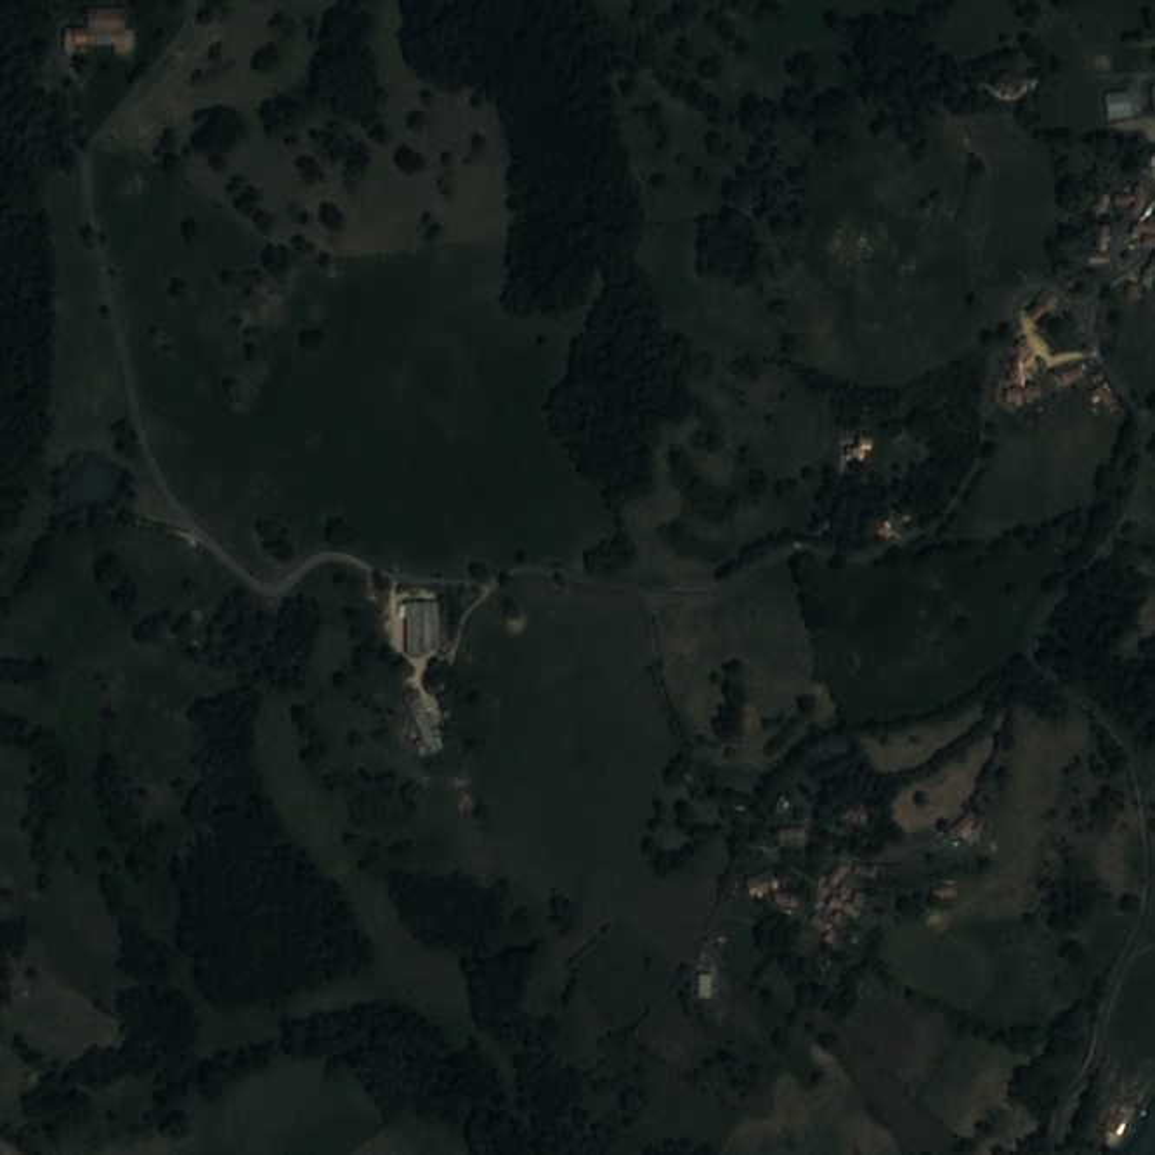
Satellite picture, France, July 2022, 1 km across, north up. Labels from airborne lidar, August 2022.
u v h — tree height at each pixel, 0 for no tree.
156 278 0
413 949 0
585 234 14
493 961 18
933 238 0
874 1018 0
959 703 8
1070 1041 10
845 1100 0
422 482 0
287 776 0
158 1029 23
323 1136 0
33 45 19
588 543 0
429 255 0
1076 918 13
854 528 10
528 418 0
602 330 11
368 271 0
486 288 0
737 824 9
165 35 8
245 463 0
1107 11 0
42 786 17
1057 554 0
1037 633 0
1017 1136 0
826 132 14
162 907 0
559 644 0
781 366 7
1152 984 0
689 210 0
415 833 0
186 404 0
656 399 12
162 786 0
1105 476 17
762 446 0
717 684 7
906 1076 0
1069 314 7
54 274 16
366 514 0
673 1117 0
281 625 11
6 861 0
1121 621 19
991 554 12
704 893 0
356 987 0
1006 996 0
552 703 0
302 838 0
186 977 0
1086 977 0
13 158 16
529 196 18
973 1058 0
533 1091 9
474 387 0
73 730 0
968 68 13
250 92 0
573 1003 12
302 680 15
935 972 0
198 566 0
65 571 0
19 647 0
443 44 22
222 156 10
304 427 0
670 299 0
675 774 14
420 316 0
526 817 0
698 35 0
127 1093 0
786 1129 0
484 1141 23
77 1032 0
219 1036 0
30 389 17
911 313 0
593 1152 19
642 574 0
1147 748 9
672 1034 0
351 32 14
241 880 13
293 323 0
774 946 10
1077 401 0
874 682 0
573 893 0
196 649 8
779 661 0
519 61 17
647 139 0
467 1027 0
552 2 20
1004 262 0
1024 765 0
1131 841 0
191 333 0
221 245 0
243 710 20
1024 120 13
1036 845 0
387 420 0
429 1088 19
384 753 0
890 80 19
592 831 0
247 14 0
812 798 15
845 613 0
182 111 0
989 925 0
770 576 0
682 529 10
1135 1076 0
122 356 0
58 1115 6
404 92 0
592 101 12
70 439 0
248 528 0
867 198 0
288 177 0
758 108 28
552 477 0
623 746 0
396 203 0
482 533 0
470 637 0
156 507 0
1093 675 11
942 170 0
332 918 21
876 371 0
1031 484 0
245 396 11
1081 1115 12
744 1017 0
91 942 0
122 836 11
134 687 0
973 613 0
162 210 0
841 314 0
